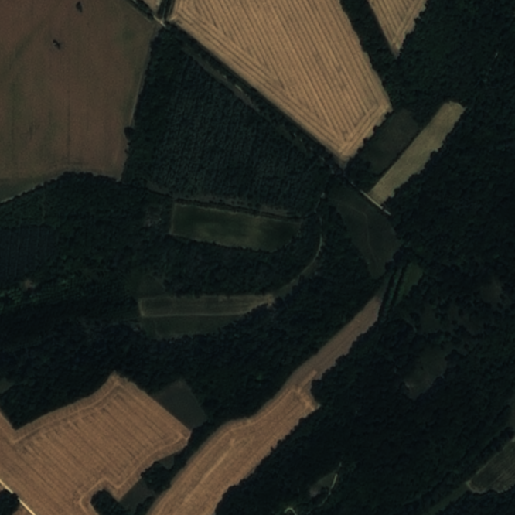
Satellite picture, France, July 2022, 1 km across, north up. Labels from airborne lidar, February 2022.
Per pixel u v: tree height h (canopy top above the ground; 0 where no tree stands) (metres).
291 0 0
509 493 8
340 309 12
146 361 16
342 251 19
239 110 16
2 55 0
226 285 18
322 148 17
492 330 17
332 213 21
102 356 9
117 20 0
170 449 0
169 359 12
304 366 0
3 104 0
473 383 18
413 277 0
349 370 18
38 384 24
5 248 12
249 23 0
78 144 0
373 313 0
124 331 24
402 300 8
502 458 0
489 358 7
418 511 26
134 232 21
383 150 0
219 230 0
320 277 9
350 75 0
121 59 0
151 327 0
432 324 0
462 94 6
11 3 0
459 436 15
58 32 0
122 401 0
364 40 18
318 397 18
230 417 13
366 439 22
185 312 0
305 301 20
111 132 0
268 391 19
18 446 0
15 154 0
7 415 8
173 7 0
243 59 0
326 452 19
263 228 0
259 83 0
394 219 17
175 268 16
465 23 19
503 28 8
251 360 21
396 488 19
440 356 0
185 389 0
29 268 12
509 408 12
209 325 0
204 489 0
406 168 0
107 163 0
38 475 0
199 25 0
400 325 21
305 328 22
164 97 11
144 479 12
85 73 0
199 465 0
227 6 0
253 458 0
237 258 8
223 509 20
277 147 7
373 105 0
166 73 18
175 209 0
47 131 0
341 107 0
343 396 22
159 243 21
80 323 18
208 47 0
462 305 17
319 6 0
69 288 16
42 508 0
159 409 0
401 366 21
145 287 0
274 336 22
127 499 0
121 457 0
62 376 30
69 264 19
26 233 12
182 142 15
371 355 16
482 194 19
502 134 18
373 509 20
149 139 17
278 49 0
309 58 0
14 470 0
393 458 10
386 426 21
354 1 20
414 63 7
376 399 18
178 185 16
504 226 17
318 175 7
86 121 0
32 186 0
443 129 0
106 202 18
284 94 0
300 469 21
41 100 0
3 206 8
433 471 23
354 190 8
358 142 0
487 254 20
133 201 18
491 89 18
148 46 0
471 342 18
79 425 0
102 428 0
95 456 0
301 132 14
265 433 0
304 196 12
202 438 16
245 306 0
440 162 25
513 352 10
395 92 15
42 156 0
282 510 6
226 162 17
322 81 0
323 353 0
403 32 0
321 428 20
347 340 0
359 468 16
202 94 6
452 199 18
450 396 23
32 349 25
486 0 14
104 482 0
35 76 0
